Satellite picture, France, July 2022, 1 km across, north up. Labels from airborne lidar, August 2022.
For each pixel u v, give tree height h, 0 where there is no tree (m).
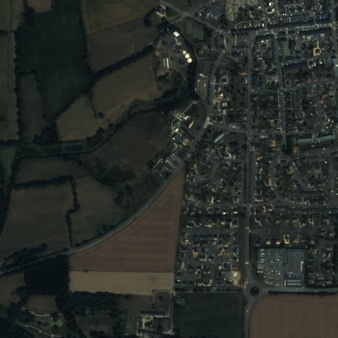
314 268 0
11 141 12
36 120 0
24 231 0
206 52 0
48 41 0
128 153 0
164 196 0
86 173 0
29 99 0
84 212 0
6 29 0
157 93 0
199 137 0
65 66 0
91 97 16
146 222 0
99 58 0
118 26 0
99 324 0
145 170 0
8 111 0
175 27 7
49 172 0
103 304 19
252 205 0
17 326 0
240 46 7
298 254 0
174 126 0
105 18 0
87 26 0
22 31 13
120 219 0
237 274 0
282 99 0
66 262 17
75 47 0
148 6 0
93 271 0
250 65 0
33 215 0
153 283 0
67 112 0
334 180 0
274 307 0
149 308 0
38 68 0
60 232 0
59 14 0
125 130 0
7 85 0
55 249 0
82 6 0
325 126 0
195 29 0
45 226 0
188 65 0
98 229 0
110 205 0
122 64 13
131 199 0
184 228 0
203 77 0
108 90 0
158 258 0
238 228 0
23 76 16
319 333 0
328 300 0
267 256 0
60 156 23
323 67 7
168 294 0
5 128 0
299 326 0
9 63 0
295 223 0
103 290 0
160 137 0
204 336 0
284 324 0
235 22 7
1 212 17
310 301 0
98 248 0
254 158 0
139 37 0
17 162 15
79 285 0
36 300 0
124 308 0
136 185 0
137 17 0
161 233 0
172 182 0
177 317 0
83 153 8
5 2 0
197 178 0
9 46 0
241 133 0
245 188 7
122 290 0
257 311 0
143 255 0
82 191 0
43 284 19
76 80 0
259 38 0
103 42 0
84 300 22
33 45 0
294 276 0
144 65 0
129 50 0
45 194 0
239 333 0
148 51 13
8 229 0
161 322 6
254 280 0
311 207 0
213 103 0
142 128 0
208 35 9
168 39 0
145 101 0
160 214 0
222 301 0
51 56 0
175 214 0
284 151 13
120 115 0
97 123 0
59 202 0
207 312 0
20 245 0
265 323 0
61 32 0
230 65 0
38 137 22
